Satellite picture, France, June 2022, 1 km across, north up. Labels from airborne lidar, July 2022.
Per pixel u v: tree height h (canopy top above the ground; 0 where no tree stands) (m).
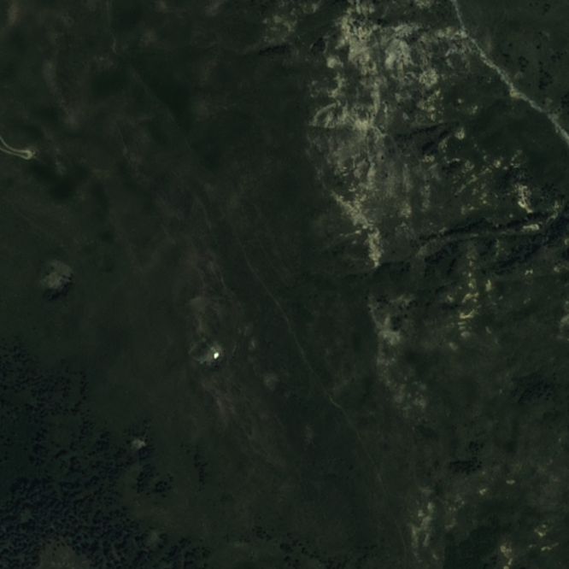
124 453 10
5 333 0
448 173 9
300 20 0
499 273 11
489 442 0
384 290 0
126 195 0
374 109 0
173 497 0
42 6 0
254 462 0
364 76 0
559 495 0
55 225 0
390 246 0
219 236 0
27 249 0
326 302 0
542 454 0
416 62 0
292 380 0
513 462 0
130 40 0
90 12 0
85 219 0
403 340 0
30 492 21
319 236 0
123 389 0
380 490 0
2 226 0
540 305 0
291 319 0
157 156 0
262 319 0
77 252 0
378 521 0
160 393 0
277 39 0
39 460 14
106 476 7
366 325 0
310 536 0
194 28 0
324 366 0
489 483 0
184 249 0
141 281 0
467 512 0
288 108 0
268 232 0
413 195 0
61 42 0
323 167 0
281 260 0
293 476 0
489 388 0
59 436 0
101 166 0
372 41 0
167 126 0
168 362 0
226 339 0
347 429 0
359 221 0
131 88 0
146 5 0
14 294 0
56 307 0
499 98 0
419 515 0
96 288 0
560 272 0
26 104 0
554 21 0
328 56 0
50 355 0
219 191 0
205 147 0
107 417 0
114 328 0
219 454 0
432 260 6
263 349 0
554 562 0
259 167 0
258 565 0
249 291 0
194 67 0
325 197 0
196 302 0
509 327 0
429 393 0
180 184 0
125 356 0
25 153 0
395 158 0
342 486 0
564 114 0
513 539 0
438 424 0
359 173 0
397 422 0
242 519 0
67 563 0
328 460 0
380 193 0
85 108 0
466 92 0
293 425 0
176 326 0
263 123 0
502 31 0
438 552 0
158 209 0
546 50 0
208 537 0
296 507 0
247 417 0
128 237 0
